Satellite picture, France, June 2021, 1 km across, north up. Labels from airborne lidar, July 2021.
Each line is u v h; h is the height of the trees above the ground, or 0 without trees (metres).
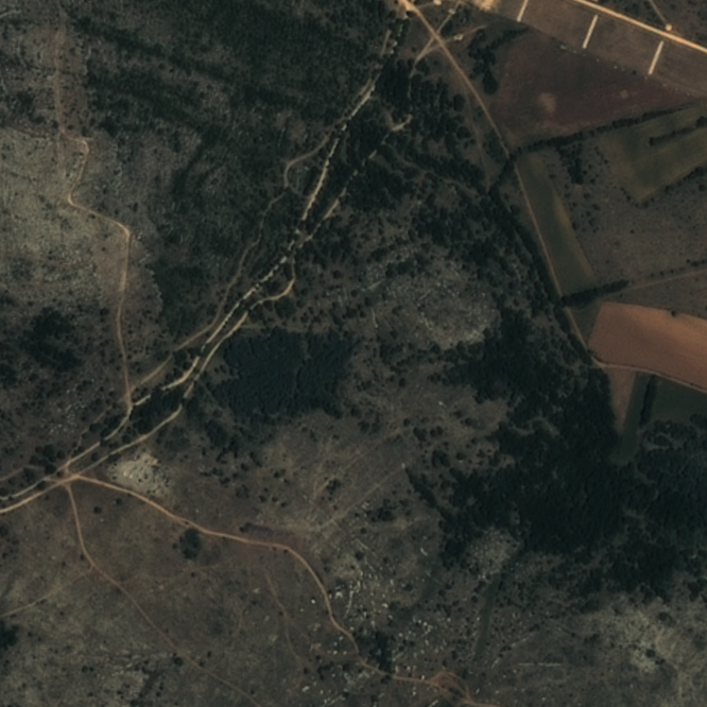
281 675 0
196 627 0
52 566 0
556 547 9
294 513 0
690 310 0
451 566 9
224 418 0
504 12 0
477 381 11
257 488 0
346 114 7
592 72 0
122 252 0
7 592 0
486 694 0
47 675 0
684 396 0
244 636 0
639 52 0
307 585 0
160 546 0
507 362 9
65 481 0
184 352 9
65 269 0
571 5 0
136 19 0
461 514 7
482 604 0
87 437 7
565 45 0
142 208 0
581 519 11
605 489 11
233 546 0
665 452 10
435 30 0
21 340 6
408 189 7
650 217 0
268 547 0
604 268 0
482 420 0
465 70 0
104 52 0
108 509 0
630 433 0
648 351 0
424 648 0
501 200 8
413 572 0
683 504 12
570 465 8
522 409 8
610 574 7
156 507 0
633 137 0
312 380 11
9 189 0
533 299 7
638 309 0
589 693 0
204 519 0
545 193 0
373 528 0
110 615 0
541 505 11
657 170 0
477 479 9
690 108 0
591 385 9
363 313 9
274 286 7
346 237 7
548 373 9
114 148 0
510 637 0
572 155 7
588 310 0
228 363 10
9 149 0
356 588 0
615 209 0
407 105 7
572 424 9
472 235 8
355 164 9
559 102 0
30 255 0
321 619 0
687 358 0
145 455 0
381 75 8
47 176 0
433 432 9
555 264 0
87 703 0
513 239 11
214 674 0
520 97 0
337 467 0
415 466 0
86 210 0
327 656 0
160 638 0
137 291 0
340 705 0
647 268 0
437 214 7
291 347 10
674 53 0
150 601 0
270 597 0
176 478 0
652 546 7
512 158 9
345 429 0
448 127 9
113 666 0
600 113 0
